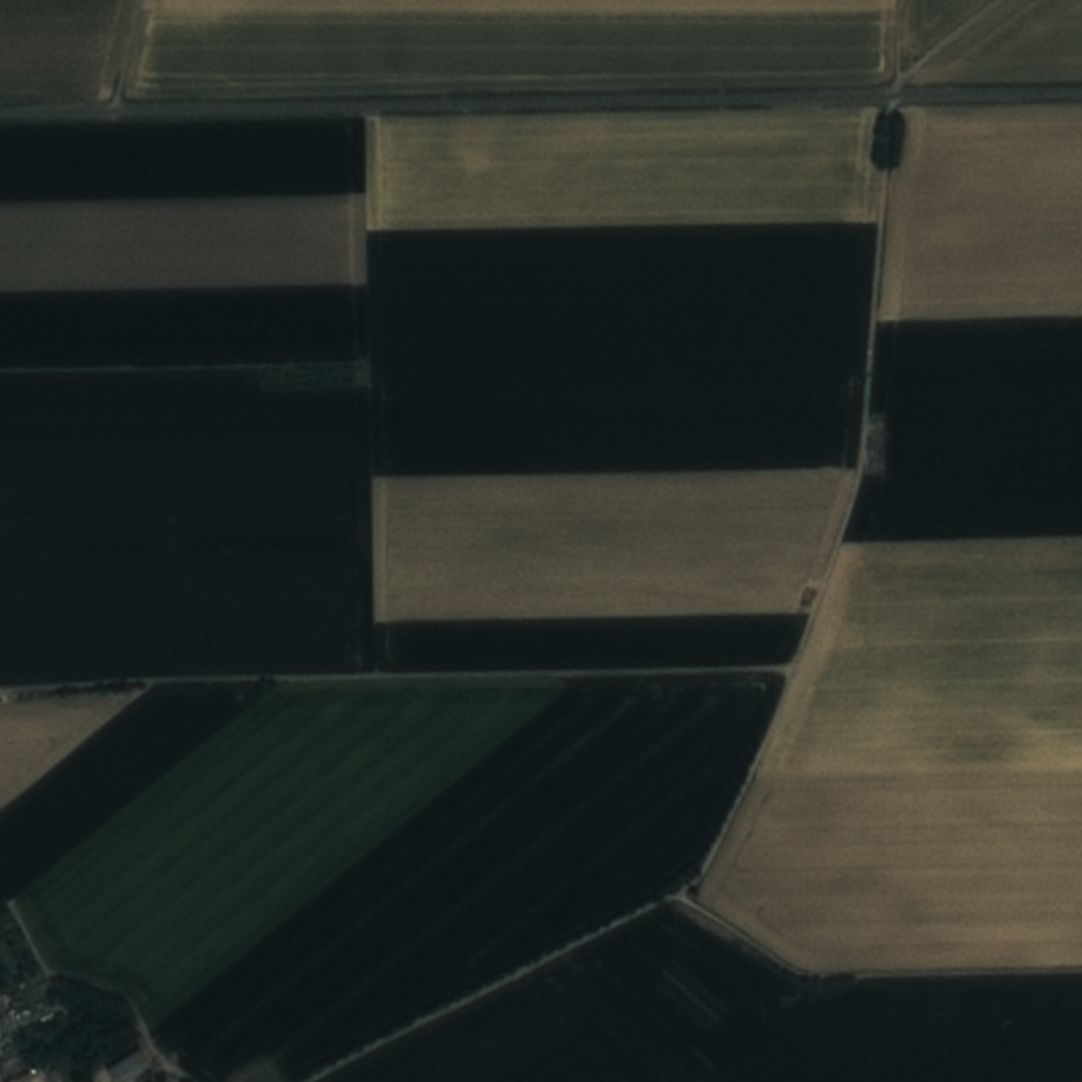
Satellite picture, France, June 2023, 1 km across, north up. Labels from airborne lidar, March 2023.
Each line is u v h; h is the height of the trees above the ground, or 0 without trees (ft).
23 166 0
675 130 0
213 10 0
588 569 0
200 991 0
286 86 0
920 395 0
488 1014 0
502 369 0
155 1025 0
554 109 0
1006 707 0
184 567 0
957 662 0
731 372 0
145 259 0
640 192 0
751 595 0
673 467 0
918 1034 0
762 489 0
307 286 0
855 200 0
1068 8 0
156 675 0
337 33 0
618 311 0
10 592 0
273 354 0
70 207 0
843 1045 0
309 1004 0
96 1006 47
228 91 0
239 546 0
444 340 0
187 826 0
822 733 0
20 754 0
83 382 0
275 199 0
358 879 0
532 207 0
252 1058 0
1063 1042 0
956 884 0
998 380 0
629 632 0
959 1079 0
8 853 0
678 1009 0
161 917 0
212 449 0
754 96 0
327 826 0
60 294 0
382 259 0
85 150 0
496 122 0
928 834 0
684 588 0
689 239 0
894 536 0
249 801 0
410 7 0
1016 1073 0
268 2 0
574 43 0
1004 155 0
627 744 0
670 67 0
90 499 0
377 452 0
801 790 0
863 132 0
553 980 0
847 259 0
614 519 0
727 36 0
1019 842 0
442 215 0
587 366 0
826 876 0
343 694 0
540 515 0
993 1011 0
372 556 0
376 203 0
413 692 0
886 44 0
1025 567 0
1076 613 0
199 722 0
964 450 0
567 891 0
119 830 0
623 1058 0
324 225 0
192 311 0
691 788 0
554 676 0
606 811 0
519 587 0
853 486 0
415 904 0
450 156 0
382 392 0
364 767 0
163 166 0
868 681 0
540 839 0
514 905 0
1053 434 0
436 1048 0
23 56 0
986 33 0
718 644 0
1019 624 0
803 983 21
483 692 0
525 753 0
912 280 0
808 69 0
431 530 0
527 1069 0
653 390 0
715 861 0
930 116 0
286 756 0
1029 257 0
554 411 0
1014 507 0
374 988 0
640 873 0
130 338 0
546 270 0
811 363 0
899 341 0
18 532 0
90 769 0
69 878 0
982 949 0
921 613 0
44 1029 39
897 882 0
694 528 0
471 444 0
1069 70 0
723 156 0
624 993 0
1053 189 0
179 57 0
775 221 0
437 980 0
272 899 0
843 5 0
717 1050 0
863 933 0
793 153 0
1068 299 0
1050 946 0
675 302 0
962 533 0
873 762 0
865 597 0
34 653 0
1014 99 0
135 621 0
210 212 0
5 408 0
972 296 0
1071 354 0
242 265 0
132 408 0
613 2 0
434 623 0
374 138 0
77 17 0
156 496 0
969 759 0
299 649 0
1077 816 0
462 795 0
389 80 0
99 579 0
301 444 0
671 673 0
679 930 0
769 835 0
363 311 0
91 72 0
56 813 0
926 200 0
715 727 0
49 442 0
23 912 0
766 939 0
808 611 0
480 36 0
